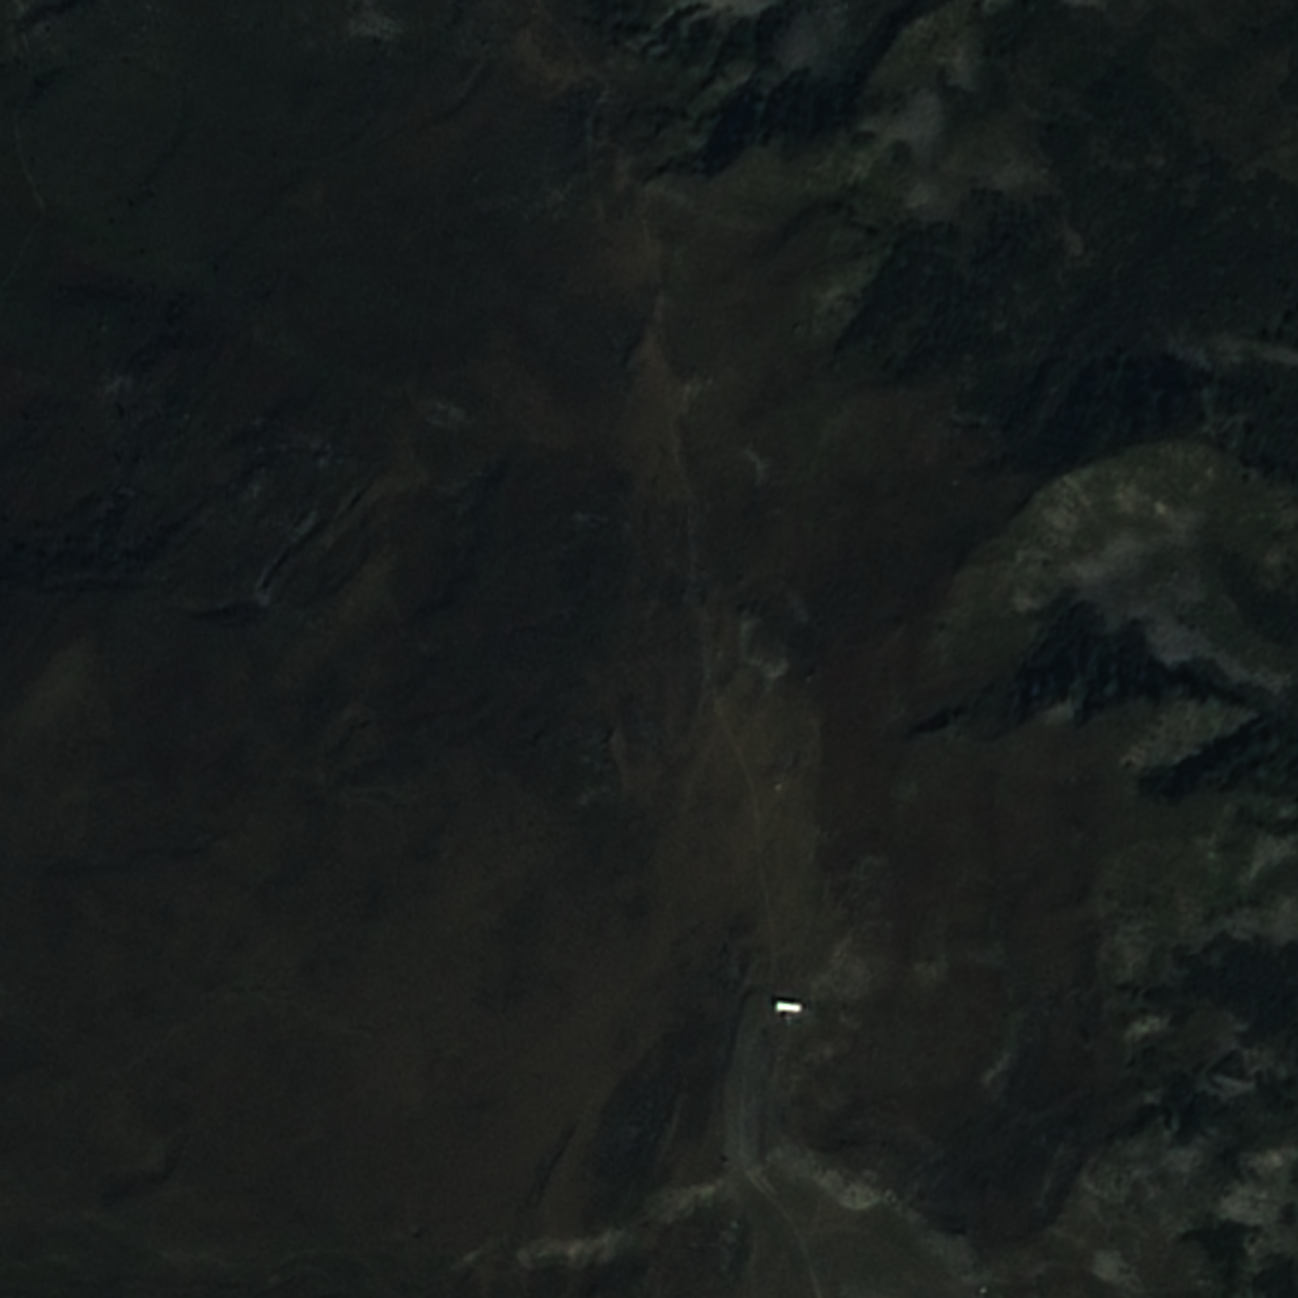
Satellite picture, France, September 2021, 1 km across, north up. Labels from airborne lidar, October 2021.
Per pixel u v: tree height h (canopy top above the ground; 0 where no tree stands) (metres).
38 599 0
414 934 0
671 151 0
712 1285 0
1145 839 0
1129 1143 0
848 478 0
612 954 0
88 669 0
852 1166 0
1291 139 0
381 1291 0
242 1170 0
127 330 0
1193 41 0
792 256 0
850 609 0
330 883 0
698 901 0
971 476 0
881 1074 0
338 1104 0
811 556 0
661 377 0
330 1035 0
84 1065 0
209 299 0
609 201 0
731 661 0
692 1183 0
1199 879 0
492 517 0
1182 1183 0
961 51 0
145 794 0
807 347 0
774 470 0
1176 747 0
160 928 0
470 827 0
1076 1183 0
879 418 0
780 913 0
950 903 0
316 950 0
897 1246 0
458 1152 0
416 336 0
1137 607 0
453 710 0
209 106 0
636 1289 0
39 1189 0
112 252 0
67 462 0
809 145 0
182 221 0
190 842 0
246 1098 0
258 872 0
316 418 0
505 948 0
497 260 0
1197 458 0
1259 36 6
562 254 0
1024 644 0
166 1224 0
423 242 0
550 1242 0
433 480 0
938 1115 0
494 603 0
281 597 0
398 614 0
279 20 0
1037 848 0
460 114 0
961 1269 0
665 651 0
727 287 0
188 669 0
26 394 0
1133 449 0
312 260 0
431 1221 0
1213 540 0
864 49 0
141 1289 0
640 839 0
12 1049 0
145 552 0
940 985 0
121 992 0
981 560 0
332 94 0
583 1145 0
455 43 0
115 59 0
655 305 0
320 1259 0
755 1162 0
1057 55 0
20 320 0
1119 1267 0
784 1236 0
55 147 0
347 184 0
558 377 0
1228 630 0
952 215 0
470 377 0
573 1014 0
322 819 0
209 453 0
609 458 0
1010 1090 0
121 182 0
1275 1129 0
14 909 0
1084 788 0
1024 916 0
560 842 0
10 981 0
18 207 0
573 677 0
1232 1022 0
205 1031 0
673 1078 0
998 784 0
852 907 0
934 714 0
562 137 0
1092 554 0
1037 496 0
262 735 0
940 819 0
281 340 0
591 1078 0
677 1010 0
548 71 0
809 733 0
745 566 0
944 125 0
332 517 0
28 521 0
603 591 0
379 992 0
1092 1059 0
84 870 0
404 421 0
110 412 0
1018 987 0
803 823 0
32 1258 0
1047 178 0
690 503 0
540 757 0
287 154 0
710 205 0
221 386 0
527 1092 0
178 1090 0
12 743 0
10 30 0
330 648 0
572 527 0
